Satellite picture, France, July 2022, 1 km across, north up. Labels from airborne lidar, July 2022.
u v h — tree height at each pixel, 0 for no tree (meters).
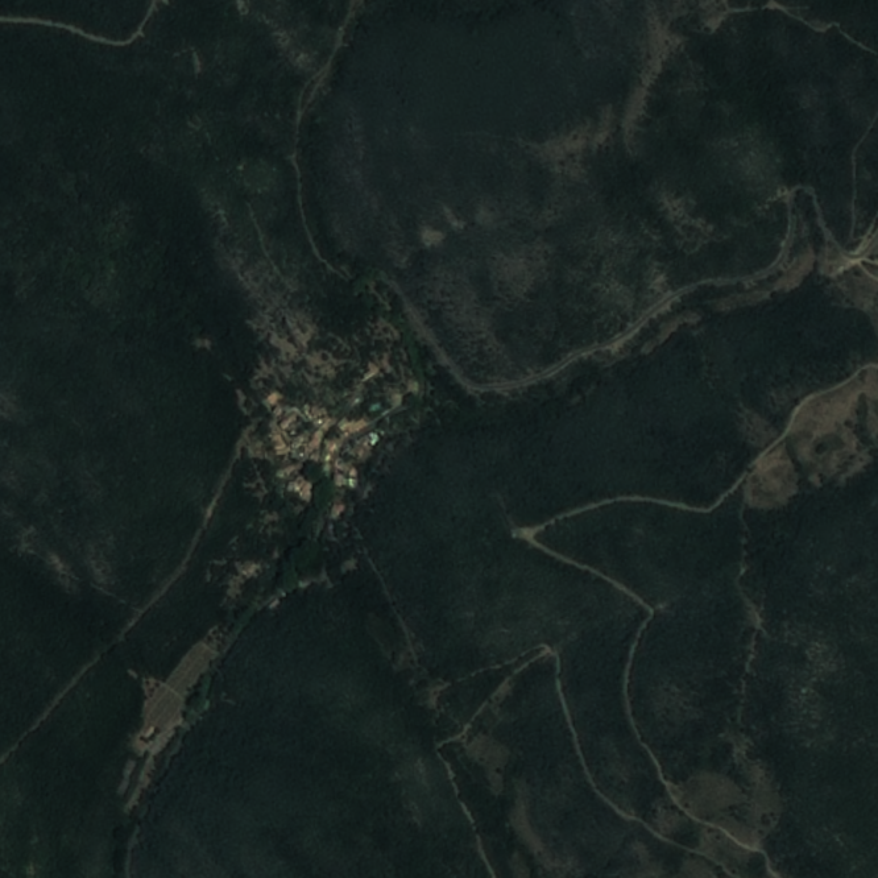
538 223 0
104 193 11
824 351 6
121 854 9
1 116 6
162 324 16
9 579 12
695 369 7
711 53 6
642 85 0
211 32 7
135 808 10
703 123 6
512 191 0
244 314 5
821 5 6
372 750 6
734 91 12
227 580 14
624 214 7
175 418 7
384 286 9
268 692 6
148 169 8
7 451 6
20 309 8
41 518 6
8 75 6
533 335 6
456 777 9
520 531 0
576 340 6
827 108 6
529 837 0
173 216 9
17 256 7
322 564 12
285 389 7
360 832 6
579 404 6
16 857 15
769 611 6
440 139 0
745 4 6
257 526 9
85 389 5
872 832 6
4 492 6
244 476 9
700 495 8
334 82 6
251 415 5
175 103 9
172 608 9
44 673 7
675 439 8
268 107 8
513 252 0
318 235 6
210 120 6
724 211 6
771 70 8
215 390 11
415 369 16
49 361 7
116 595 7
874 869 6
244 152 6
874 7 8
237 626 20
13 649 9
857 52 7
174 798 8
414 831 8
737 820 6
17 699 12
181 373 10
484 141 0
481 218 0
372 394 7
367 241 6
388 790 6
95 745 8
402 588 6
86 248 8
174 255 10
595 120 0
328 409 6
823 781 6
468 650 6
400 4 8
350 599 14
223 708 6
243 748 7
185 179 7
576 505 6
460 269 0
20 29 8
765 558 7
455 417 6
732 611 6
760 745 6
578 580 6
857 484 6
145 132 5
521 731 9
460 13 10
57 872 10
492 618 7
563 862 0
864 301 0
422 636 7
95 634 16
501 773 8
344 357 6
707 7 0
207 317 11
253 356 7
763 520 8
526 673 6
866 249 0
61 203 6
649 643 6
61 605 13
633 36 0
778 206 10
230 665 6
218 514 7
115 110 7
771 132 8
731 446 6
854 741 6
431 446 6
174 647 10
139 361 10
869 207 5
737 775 8
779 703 6
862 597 6
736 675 5
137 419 6
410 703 8
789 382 7
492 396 6
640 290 6
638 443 6
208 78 6
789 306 6
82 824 10
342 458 8
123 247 12
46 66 8
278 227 8
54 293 6
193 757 8
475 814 9
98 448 6
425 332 0
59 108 9
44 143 10
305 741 8
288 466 0
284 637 6
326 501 22
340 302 7
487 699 7
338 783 7
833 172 7
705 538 8
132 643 11
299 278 6
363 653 6
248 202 7
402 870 11
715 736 6
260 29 8
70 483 6
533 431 7
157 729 6
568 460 6
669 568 6
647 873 0
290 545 9
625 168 6
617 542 6
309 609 8
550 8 8
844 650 6
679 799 0
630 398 7
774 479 0
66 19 8
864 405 0
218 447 13
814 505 6
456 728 6
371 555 6
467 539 6
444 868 8
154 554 7
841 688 6
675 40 0
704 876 0
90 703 9
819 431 0
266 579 9
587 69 0
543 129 0
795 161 6
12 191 8
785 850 6
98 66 6
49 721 6
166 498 8
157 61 8
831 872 6
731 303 0
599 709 5
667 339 8
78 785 14
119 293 8
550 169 0
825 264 0
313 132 6
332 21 7
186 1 6
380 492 7
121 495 7
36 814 9
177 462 6
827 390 0
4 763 6
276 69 6
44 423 6
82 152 7
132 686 13
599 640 6
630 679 6
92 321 9
